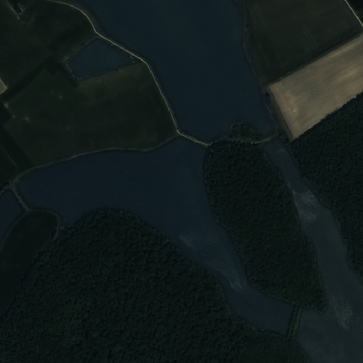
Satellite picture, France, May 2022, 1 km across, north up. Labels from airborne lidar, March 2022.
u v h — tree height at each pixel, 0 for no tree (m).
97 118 0
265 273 24
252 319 0
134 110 0
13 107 0
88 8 0
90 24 0
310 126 0
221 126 0
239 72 0
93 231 25
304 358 11
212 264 0
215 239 0
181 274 31
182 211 0
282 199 24
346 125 25
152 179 0
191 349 26
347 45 0
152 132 0
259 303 0
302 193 0
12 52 0
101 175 0
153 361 23
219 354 28
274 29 0
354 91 0
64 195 0
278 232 25
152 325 20
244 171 24
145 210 0
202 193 0
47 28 0
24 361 28
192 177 0
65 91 0
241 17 0
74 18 0
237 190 25
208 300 25
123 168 0
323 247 0
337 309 0
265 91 0
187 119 0
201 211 0
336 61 0
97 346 27
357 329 0
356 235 16
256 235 20
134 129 0
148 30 0
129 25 0
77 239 29
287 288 24
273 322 0
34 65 0
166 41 0
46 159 0
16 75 0
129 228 28
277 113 0
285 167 0
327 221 0
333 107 0
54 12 0
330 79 0
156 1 0
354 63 0
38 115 0
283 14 0
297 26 0
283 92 0
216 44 0
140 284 24
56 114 0
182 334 25
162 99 0
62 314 26
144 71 0
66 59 0
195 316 29
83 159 0
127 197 0
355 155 23
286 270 25
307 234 0
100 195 0
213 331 28
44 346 28
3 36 0
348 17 0
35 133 0
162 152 0
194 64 0
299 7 0
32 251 0
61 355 25
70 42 0
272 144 0
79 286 23
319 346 0
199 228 0
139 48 0
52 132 0
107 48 0
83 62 0
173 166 0
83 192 0
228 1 0
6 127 0
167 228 0
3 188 7
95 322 25
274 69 0
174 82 0
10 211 0
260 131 0
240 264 0
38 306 25
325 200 8
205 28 0
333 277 0
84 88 0
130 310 24
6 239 0
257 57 0
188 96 0
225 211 23
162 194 0
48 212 0
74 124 0
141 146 0
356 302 0
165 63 0
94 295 23
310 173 21
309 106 0
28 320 26
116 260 24
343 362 0
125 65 0
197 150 0
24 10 0
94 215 25
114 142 0
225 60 0
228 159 21
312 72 0
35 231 0
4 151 0
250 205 25
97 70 0
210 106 0
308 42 0
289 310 0
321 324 0
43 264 24
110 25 0
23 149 0
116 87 0
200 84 0
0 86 0
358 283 0
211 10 0
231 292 0
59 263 22
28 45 0
